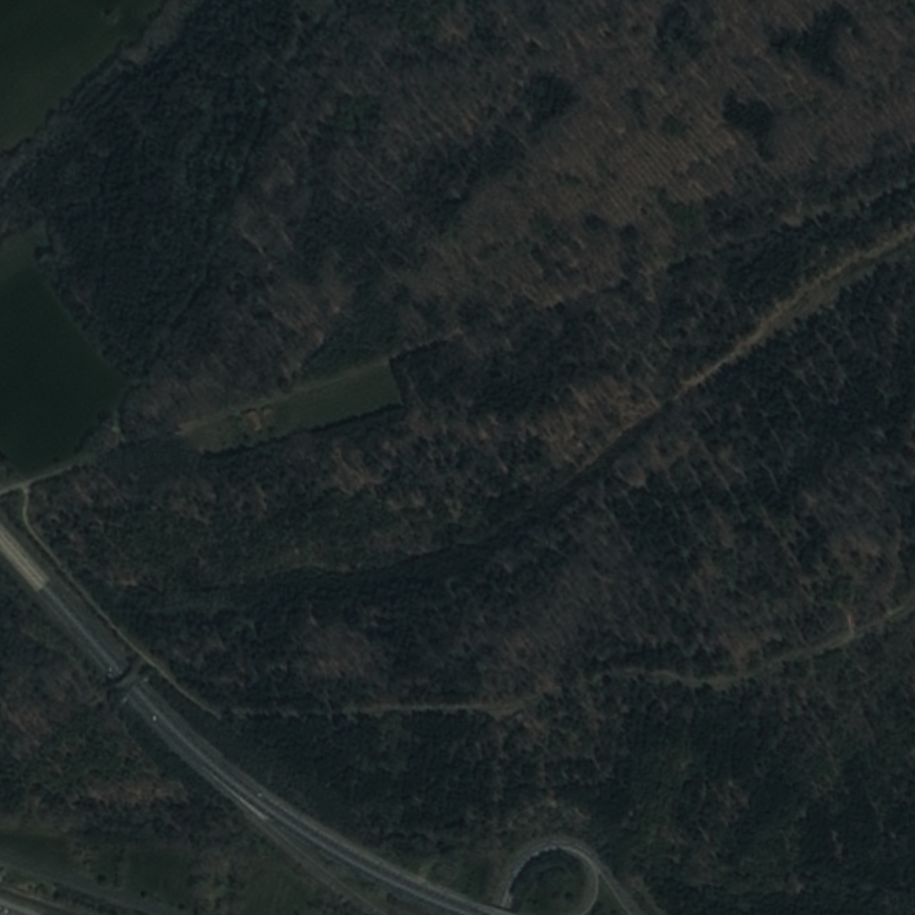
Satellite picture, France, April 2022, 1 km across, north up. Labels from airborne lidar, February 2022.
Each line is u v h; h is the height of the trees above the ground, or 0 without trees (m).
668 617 15
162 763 13
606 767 12
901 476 9
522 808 6
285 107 22
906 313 16
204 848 21
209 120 24
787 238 21
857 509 30
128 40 0
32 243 0
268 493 26
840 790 12
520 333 24
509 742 9
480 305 18
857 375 15
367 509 29
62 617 0
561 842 0
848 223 22
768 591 14
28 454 0
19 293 0
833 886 16
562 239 18
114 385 0
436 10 12
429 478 24
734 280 23
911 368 17
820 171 19
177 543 11
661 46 15
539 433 18
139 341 22
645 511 15
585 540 26
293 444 14
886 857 14
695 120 10
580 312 25
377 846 16
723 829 15
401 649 24
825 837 13
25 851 0
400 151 0
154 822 13
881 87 20
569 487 6
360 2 24
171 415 21
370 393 0
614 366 20
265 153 22
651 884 11
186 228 20
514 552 24
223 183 26
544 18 17
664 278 19
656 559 17
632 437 6
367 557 11
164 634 17
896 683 13
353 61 21
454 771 13
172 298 24
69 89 0
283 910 0
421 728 14
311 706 20
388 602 15
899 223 21
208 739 9
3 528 0
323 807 11
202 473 20
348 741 18
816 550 17
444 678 17
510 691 16
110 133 20
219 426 0
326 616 18
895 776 10
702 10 25
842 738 12
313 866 0
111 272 26
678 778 10
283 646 16
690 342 32
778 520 13
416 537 11
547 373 21
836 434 19
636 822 9
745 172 20
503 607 11
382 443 16
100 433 14
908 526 17
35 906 0
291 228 22
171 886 0
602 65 22
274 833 0
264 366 21
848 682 13
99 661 0
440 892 0
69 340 0
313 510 8
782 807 13
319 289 22
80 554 13
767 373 16
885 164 21
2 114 0
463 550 15
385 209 22
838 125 23
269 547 14
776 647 12
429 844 22
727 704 11
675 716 13
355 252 19
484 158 20
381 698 12
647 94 14
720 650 11
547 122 19
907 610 0
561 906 0
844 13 24
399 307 14
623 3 23
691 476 8
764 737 15
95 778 11
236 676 16
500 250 16
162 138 21
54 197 21
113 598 17
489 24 16
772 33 21
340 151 16
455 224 17
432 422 23
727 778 11
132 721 14
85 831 19
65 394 0
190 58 20
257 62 20
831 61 23
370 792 12
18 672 21
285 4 18
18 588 12
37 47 0
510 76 25
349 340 18
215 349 26
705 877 21
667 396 11
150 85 21
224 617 13
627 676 0
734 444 15
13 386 0
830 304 0
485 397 17
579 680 21
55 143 14
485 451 21
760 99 23
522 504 13
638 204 14
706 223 12
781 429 20
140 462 21
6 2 0
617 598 16
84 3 0
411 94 23
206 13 19
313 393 0
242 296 21
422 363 17
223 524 10
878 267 0
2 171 19
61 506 10
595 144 0
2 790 10
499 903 0
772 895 10
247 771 9
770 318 25
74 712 10
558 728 9
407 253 19
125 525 31
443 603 22
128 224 25
